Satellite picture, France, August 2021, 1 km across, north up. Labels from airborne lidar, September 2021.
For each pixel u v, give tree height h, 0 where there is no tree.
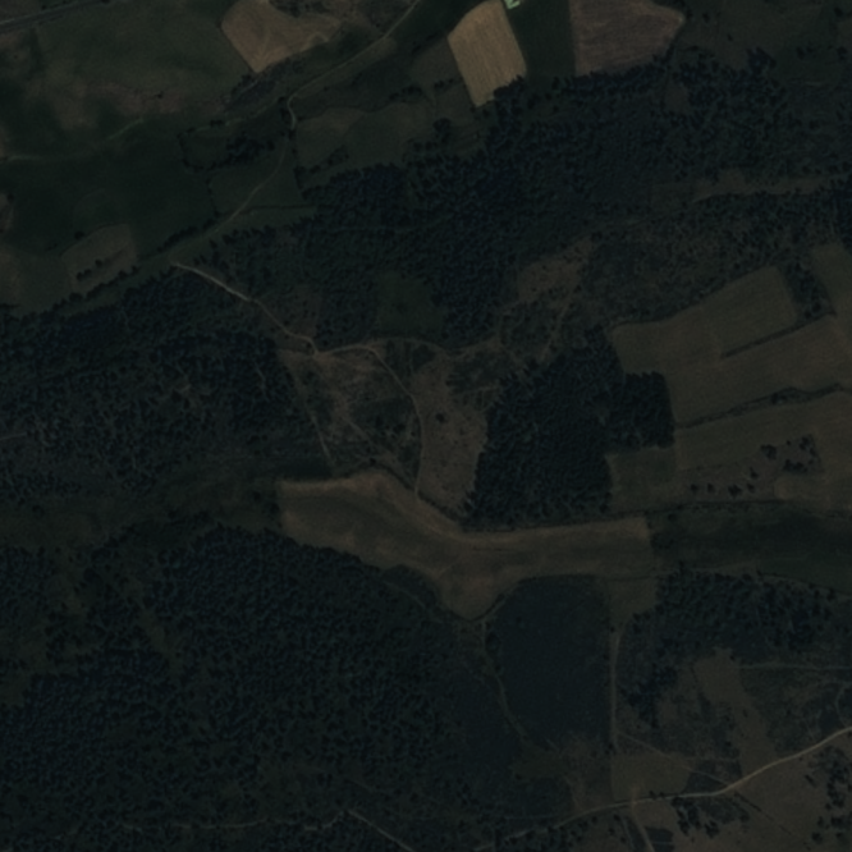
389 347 0
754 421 0
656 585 0
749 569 0
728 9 0
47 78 0
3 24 0
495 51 0
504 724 0
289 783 0
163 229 0
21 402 6
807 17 0
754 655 0
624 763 0
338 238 8
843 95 0
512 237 9
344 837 8
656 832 0
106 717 14
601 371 16
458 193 8
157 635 0
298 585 12
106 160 0
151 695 15
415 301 0
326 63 0
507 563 0
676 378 0
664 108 6
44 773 15
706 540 0
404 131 0
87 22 0
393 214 23
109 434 15
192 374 15
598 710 0
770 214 7
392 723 12
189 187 0
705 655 0
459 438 0
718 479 0
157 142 0
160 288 15
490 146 12
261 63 0
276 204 0
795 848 0
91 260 0
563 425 23
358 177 13
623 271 0
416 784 0
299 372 0
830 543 0
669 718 0
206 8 0
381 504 0
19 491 18
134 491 14
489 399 0
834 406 0
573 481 18
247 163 14
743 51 0
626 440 6
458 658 0
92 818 11
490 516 15
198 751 10
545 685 0
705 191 0
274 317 0
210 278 0
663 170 0
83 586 10
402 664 10
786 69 0
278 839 11
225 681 7
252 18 0
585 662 0
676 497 0
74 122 0
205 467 0
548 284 0
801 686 0
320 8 0
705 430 0
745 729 0
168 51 0
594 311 0
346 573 11
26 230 0
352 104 0
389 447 0
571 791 0
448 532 0
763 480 0
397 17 0
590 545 0
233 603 19
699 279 0
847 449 0
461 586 0
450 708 0
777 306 0
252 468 0
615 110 9
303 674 11
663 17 0
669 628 0
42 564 11
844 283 0
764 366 0
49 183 0
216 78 0
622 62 0
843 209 18
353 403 0
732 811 0
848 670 0
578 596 0
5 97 0
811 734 0
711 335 0
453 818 0
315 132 0
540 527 0
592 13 0
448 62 0
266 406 22
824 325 0
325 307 0
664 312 0
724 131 7
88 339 22
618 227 0
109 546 10
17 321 8
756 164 9
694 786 0
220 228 0
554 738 0
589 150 6
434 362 0
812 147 0
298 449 0
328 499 0
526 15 0
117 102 0
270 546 10
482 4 0
